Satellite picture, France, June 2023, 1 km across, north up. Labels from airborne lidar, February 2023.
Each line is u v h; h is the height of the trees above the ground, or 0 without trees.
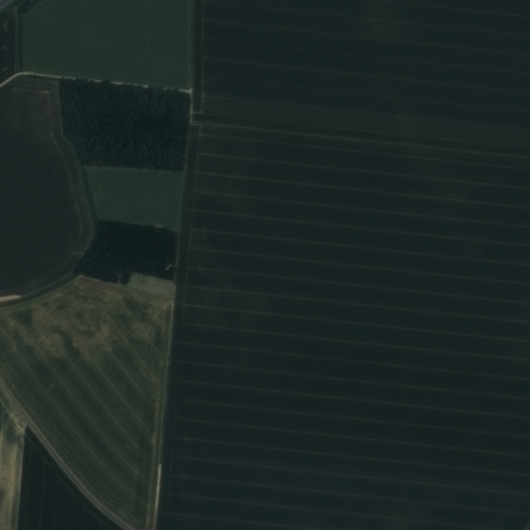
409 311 0
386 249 0
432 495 0
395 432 0
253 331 0
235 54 0
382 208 0
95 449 0
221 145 0
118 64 0
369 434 0
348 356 0
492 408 0
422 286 0
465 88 0
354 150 0
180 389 0
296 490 0
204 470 0
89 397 0
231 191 0
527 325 0
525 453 0
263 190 0
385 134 0
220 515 0
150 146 18
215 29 0
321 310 0
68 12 0
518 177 0
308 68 0
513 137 0
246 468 0
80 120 17
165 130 16
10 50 0
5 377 0
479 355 0
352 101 0
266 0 0
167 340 0
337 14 0
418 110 0
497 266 0
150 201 0
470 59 0
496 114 0
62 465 0
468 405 0
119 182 0
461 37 0
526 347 0
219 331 0
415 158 0
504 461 0
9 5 0
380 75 0
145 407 0
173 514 0
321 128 0
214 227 0
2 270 0
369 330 0
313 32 0
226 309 0
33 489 0
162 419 0
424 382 0
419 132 0
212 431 0
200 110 0
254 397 0
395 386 0
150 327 0
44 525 0
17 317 0
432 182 0
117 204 0
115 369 0
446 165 0
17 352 0
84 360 0
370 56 0
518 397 0
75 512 0
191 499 0
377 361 0
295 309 0
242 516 0
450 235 0
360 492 0
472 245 0
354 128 0
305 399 0
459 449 0
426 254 0
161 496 0
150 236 11
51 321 0
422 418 0
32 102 0
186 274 0
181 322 0
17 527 0
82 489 0
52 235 0
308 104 0
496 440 0
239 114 0
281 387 0
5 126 0
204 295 0
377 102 0
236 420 0
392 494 0
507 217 0
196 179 0
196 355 0
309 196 0
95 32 0
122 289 0
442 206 0
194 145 0
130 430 0
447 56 0
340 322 0
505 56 0
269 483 0
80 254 0
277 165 0
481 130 0
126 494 0
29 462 0
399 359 0
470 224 0
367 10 0
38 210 0
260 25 0
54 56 0
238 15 0
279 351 0
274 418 0
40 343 0
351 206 0
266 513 0
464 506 0
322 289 0
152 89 14
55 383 0
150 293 0
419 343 0
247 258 0
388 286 0
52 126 0
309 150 0
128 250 9
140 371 0
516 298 0
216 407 0
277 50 0
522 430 0
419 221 0
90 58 0
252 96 0
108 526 0
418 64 0
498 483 0
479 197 0
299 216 0
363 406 0
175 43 0
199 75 0
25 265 0
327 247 0
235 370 0
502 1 0
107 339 0
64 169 0
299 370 0
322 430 0
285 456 0
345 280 0
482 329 0
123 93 17
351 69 0
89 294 0
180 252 0
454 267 0
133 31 0
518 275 0
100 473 0
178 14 0
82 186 0
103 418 0
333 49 0
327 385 0
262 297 0
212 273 0
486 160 0
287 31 0
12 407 0
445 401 0
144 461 0
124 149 10
